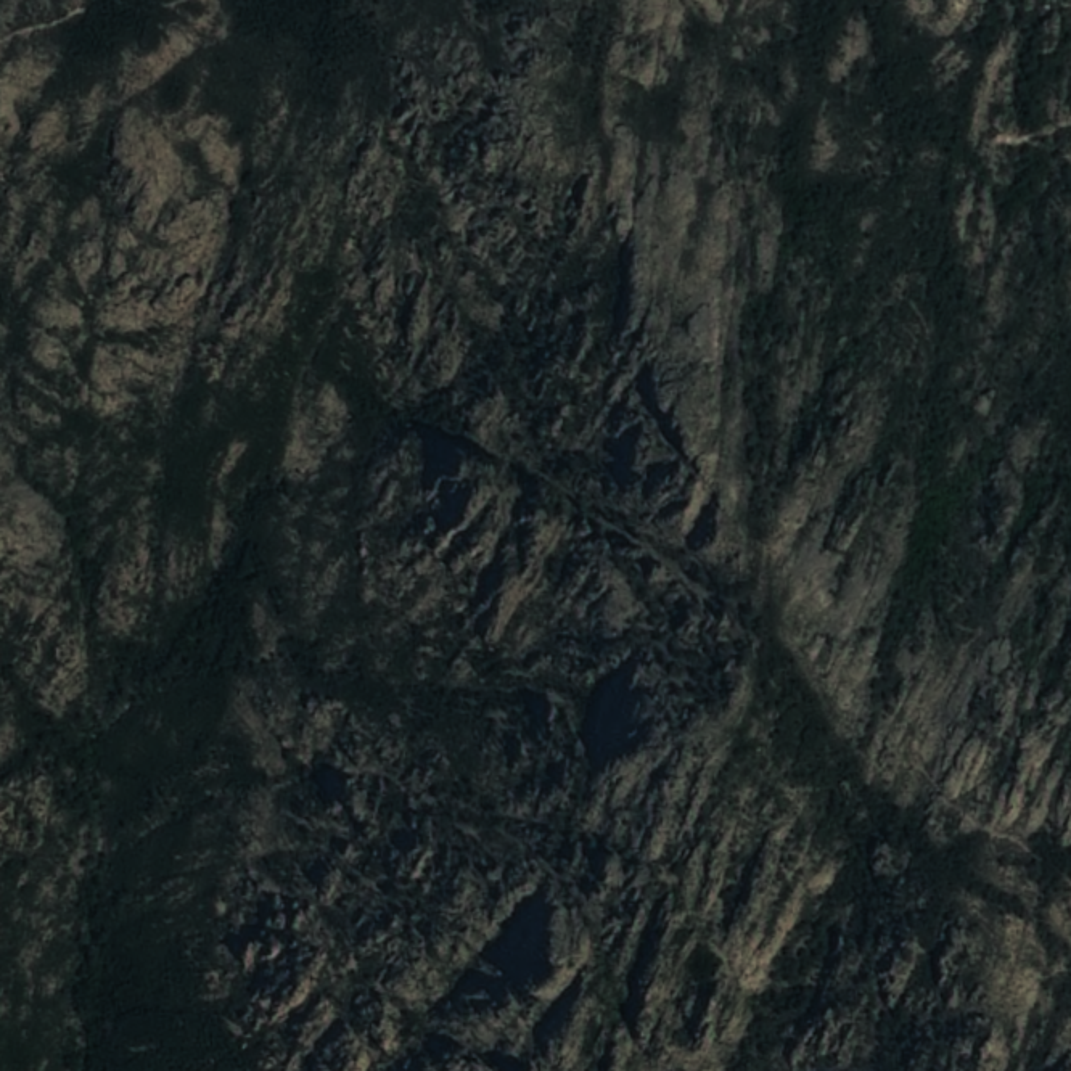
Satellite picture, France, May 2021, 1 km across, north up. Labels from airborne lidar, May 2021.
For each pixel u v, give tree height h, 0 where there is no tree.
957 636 11
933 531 14
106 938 22
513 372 19
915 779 0
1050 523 10
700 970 9
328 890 12
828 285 8
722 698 12
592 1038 9
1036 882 10
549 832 10
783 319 6
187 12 0
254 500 10
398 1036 7
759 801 11
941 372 12
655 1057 7
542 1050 6
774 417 11
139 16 10
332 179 0
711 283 0
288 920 7
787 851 16
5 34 0
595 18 13
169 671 20
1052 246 16
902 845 15
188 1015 9
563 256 8
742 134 12
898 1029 19
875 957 13
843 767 11
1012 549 9
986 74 8
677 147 0
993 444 11
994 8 17
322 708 8
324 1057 8
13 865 14
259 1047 7
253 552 14
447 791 14
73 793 18
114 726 7
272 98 0
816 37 10
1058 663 14
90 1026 12
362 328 9
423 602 0
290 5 6
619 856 14
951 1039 14
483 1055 12
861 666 0
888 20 21
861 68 13
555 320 6
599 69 12
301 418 0
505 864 15
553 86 0
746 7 0
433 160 15
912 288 7
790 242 14
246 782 6
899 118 18
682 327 6
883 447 8
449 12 0
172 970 7
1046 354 8
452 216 0
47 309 0
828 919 9
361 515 8
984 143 8
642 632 11
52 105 0
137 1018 11
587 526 16
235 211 19
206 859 0
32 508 0
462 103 8
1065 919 0
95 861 22
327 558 0
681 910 14
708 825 7
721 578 11
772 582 0
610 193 0
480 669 7
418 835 9
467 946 15
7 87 0
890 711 8
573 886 21
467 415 7
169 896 8
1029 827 0
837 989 6
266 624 0
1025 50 15
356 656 8
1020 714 8
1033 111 26
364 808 8
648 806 0
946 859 13
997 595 12
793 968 20
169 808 12
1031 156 18
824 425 11
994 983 0
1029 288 10
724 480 0
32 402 0
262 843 0
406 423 6
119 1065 9
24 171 0
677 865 13
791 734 17
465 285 0
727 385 7
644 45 13
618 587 0
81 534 14
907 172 10
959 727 6
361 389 12
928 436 10
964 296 15
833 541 9
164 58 0
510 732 8
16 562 0
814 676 0
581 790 18
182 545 0
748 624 14
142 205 0
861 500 9
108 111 0
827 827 14
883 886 17
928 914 14
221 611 14
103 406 0
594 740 14
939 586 16
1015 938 0
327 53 8
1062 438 8
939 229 8
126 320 0
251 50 0
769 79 15
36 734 6
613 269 6
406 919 11
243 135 9
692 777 7
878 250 8
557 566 21
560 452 15
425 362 8
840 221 14
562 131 0
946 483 7
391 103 0
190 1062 8
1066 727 13
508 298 16
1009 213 23
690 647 13
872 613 7
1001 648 0
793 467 8
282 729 0
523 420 9
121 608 0
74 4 0
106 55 7
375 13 7
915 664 0
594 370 19
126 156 0
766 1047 17
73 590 8
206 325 0
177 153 0
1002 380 11
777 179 15
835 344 6
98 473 0
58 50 0
